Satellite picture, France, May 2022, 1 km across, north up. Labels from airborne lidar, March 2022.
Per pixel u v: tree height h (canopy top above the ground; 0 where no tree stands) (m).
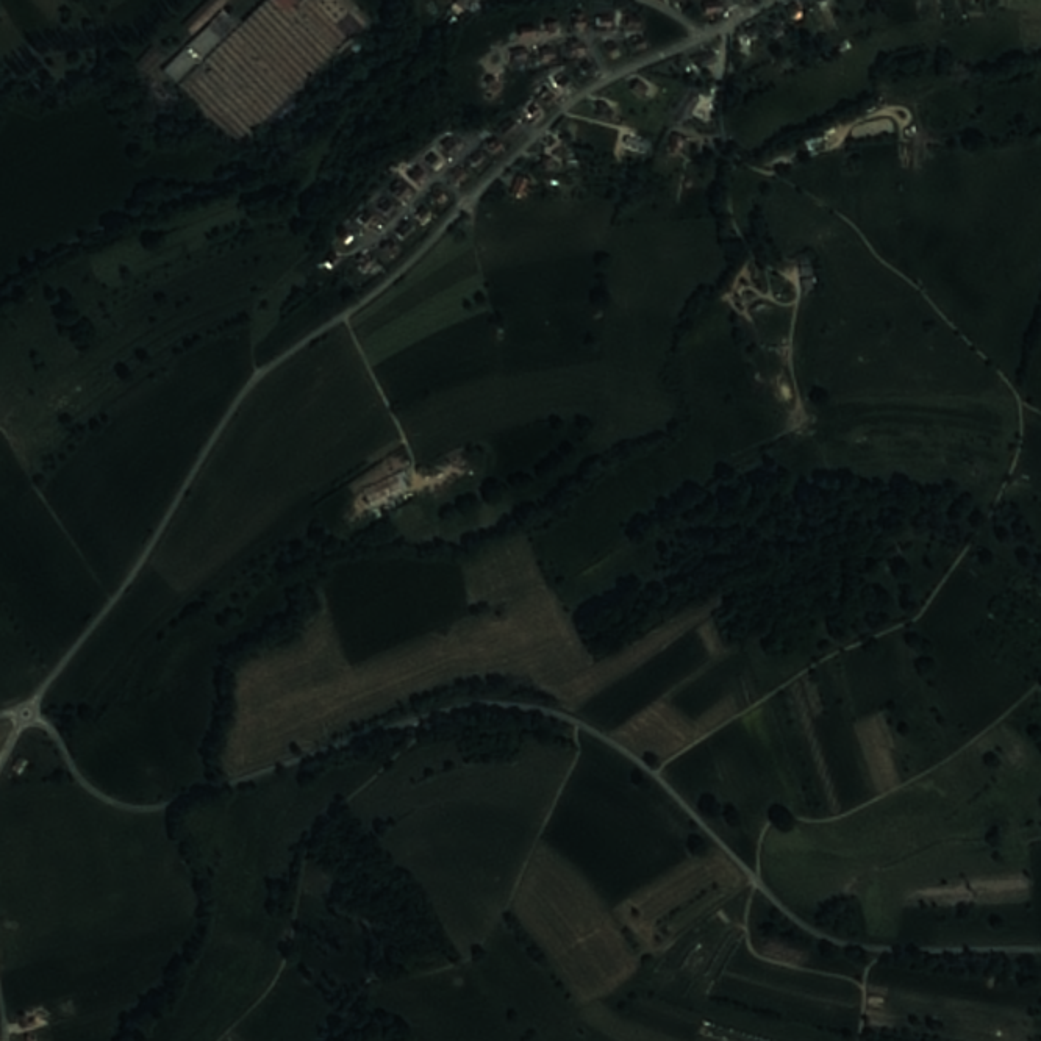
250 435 0
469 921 0
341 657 0
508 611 0
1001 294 0
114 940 0
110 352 0
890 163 0
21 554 0
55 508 0
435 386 0
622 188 9
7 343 0
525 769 0
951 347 0
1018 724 0
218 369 0
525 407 0
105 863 0
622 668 0
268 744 0
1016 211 0
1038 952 0
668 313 0
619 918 0
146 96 17
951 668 0
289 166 18
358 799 0
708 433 0
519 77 0
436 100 14
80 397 0
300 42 0
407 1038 17
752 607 16
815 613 20
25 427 0
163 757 0
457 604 0
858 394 0
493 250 0
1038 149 0
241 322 11
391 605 0
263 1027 0
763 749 0
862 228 0
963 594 0
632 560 0
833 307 0
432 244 0
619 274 0
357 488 0
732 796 0
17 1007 0
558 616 0
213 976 0
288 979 0
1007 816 0
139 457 0
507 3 11
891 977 0
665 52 0
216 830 0
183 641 0
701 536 18
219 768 16
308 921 0
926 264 0
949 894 0
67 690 0
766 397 0
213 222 0
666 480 0
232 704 17
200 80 0
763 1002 0
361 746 16
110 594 0
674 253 0
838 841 0
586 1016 0
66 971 0
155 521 0
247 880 0
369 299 0
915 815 0
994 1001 0
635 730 0
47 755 0
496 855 0
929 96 0
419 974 0
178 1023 0
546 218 0
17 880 0
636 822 0
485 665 0
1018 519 13
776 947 0
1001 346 0
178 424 0
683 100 0
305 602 19
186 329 0
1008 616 6
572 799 0
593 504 0
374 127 21
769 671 0
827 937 0
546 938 0
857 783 0
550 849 0
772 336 0
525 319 0
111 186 0
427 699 9
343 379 0
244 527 0
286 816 0
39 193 0
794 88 0
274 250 0
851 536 26
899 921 0
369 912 22
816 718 0
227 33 0
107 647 0
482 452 12
